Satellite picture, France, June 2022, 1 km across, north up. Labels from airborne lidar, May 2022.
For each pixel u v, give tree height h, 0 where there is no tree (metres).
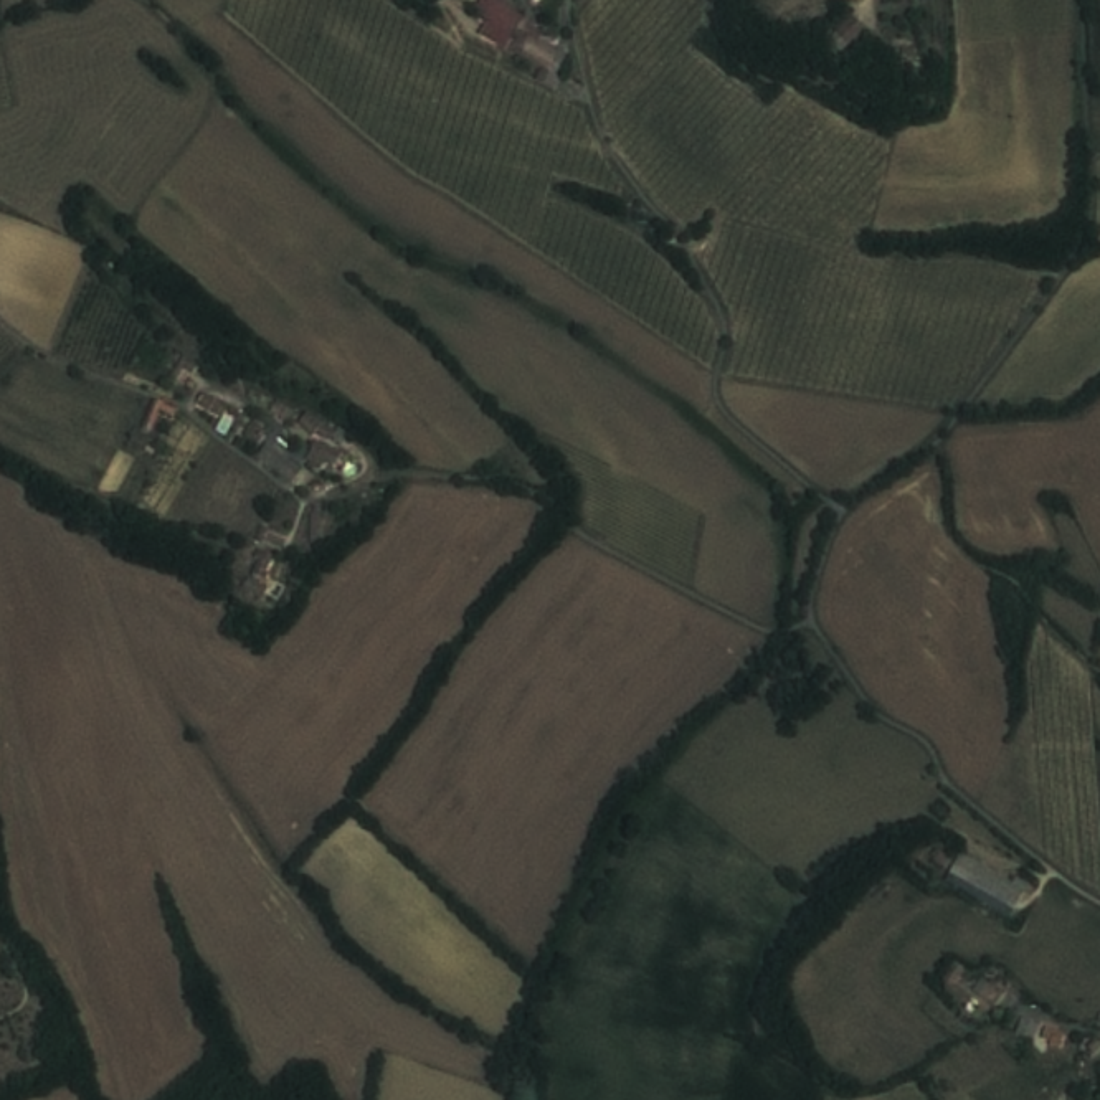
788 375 0
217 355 18
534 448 19
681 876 0
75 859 0
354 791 13
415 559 0
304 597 15
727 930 0
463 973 0
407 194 0
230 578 10
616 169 0
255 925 0
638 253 0
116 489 0
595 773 0
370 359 0
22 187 0
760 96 10
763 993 19
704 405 0
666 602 0
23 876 0
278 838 0
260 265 0
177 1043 0
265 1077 0
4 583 0
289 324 0
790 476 0
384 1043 0
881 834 11
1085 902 0
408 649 0
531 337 0
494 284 30
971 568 0
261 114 0
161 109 0
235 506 0
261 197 0
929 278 0
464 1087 0
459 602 0
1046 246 13
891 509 0
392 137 0
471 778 0
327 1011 0
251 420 9
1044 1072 0
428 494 0
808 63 19
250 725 0
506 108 0
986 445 0
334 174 0
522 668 0
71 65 0
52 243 0
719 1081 0
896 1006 0
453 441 0
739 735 0
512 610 0
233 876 0
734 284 0
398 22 0
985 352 0
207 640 0
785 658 24
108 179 0
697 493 0
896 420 0
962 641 0
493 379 0
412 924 0
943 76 6
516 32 0
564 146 0
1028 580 6
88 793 0
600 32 0
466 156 0
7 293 0
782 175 0
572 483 14
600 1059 0
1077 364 0
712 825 0
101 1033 0
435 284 0
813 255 0
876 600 0
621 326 0
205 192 0
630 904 0
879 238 13
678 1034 0
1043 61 0
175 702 0
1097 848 0
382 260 0
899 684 0
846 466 0
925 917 0
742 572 0
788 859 0
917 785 0
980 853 0
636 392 0
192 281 24
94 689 0
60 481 6
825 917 17
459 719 0
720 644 0
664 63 0
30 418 0
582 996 0
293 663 0
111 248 13
